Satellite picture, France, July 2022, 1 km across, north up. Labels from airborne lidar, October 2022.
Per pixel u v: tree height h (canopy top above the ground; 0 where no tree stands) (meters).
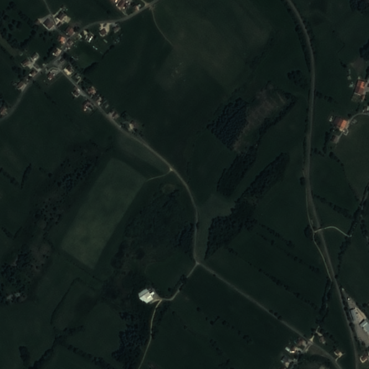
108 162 0
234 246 0
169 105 0
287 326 0
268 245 0
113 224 0
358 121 0
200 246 0
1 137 0
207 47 0
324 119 0
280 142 0
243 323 0
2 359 0
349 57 0
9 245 0
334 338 11
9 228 0
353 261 0
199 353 0
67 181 15
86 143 0
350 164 0
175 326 0
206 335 0
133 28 0
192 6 0
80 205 0
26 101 0
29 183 0
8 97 0
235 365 0
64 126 0
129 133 0
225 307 0
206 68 0
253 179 0
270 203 0
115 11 0
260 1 0
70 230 0
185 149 0
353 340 0
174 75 0
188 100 0
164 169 0
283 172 8
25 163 0
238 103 16
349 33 0
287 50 0
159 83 0
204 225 0
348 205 0
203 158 0
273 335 0
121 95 0
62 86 0
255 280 0
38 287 0
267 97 0
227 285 0
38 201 0
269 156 0
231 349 0
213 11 0
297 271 0
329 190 0
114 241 0
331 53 0
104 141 0
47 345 0
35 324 0
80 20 0
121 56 0
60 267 0
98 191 0
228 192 8
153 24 0
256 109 0
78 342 0
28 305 0
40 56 0
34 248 0
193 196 0
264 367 0
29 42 17
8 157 0
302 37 5
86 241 0
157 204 7
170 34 0
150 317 7
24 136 0
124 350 24
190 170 6
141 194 0
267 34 0
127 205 0
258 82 0
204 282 0
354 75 0
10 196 0
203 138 0
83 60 0
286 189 0
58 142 0
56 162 0
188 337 0
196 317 0
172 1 0
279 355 0
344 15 0
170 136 0
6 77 0
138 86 0
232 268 0
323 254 0
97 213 0
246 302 0
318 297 0
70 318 0
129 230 7
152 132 0
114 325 0
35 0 0
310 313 0
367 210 0
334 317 0
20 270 11
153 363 0
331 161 0
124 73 0
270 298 0
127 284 0
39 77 0
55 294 0
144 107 0
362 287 0
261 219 0
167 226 7
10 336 0
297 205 0
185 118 0
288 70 0
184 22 0
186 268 0
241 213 8
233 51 0
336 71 0
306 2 0
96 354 0
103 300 0
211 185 0
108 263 0
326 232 0
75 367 0
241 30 0
